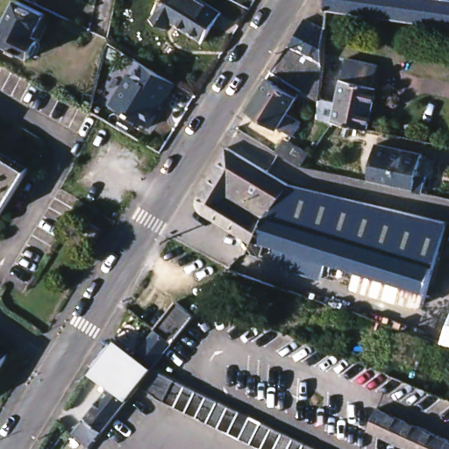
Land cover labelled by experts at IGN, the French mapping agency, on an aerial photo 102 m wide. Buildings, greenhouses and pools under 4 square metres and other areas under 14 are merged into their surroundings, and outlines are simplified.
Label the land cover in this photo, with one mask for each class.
<instances>
[{"label":"impervious surface","instance_id":"1","mask_svg":"<svg viewBox=\"0 0 449 449\"><path fill-rule=\"evenodd\" d=\"M323 5L319 0H260L253 19L244 26V33L237 32L232 33L224 51L202 49L193 54H195L217 56V60L223 61V65L217 68L214 79L202 96H188L186 102L175 103L168 119V121H170V132L167 133V137L158 147L160 167L154 168L149 174H142L137 168V154L125 147H119L118 144H112V135L109 132L98 130L93 140L95 147L91 153V161L86 165V172L81 177L84 186L93 184L86 198L75 200L74 196L63 191V182L72 172L68 165H72V153H77V144L86 135L88 125H93L89 118V110L98 109V114L105 121L116 125V118L110 116L109 110L105 107V82L109 72V60H114V56H125L123 51L112 47L107 49V58L100 61L98 79L93 91H82L74 84H67L65 95L72 96L77 105L67 109V105L56 102L42 91H35V86L32 82L26 81L25 77L14 74L11 68L0 65V161L21 172L18 186L5 202L4 209L0 210V300H2L5 282H12L16 291L28 288L26 281L32 277V272L37 270L35 265L42 258V253H51L54 244L53 228L46 223L47 217L61 216L67 210L74 216L75 228H81L84 232H95L93 239H88L89 254L96 261H102V265L93 270V274L84 279L75 291L68 302L67 310L47 319V337L33 335L0 312V449H40L46 442L47 433H51L58 419L72 416L75 419L86 416L93 403L102 398L103 393H107L103 386L95 384L79 407H61L68 393L74 388L75 382L81 379V375H88L89 365L96 360V356L109 344H114L119 337L116 328L126 309L128 303L139 288L140 281L151 270L144 265L147 254H161L167 244L165 239L168 237L195 253L205 254L226 272L230 275H240L247 265L256 261L253 254L242 260L237 237L233 233L217 228L216 224L210 223L209 219L200 216L193 209V198L196 191H200L198 181L205 177L217 156L224 158V153L232 146L289 184L442 219L445 223L444 237L426 295L435 300L438 296L449 293V153L407 137L403 140H386L389 146L423 154L412 189L365 179H354L346 175L328 174L307 168L302 174L289 167L288 163L263 151V137L274 144H279L282 140H288V135L279 130L265 128L253 118H249L246 114L247 103L251 102L261 82L275 75V60L279 58L282 49L293 35L309 46L321 49V68L312 72L316 74V81L321 82V100L330 102L333 98L340 61L342 51L331 40V28L321 30V16H317V12ZM353 142H361L360 161L363 172L367 168L372 147L382 140V135L353 130ZM177 302L181 303L182 309L188 312L191 319L188 326L174 340V344H167L163 349V354L172 361L154 379L151 388L147 389V400L153 403V412L144 414L140 410H135L130 419L114 424L119 435H125V442L107 438L98 449H393L386 445L384 440L370 437L365 431L372 414L370 407H379L388 416L402 419L407 424L421 426L423 430L437 433L438 437L449 440V400L438 398L430 407H424L421 402L428 393L405 384L407 377H416L414 372H409V375L405 372L379 374L372 368H361L360 365H351L347 360H337L335 356L323 358L321 354L314 353L307 344H296L293 337L282 335L275 328H251L244 335H240L239 339H232V324H216L212 328L203 324L202 316L196 314V303H191L188 295L182 296Z\"/></svg>","mask_w":449,"mask_h":449},{"label":"building","instance_id":"2","mask_svg":"<svg viewBox=\"0 0 449 449\"><path fill-rule=\"evenodd\" d=\"M42 21V14L19 0H0V53L12 60L21 61L26 58L35 60L37 56V30ZM233 4V0H154L147 16V25L156 23L160 28H167L168 37H175L184 35L196 44H203L205 39L207 33L216 25L221 12ZM323 5L317 12V16H321V30L331 28L333 16H349L356 28L377 33V47L389 46L403 25L423 28L430 37L437 39L438 44L449 42V0H319ZM321 49L309 46L293 35L282 49L279 58L275 60V75L261 82L251 102L247 103L246 114L249 118H253L265 128L279 130L288 135V140H282L279 144H274L263 137V151L288 163L289 167L302 174L307 168L303 167L305 151L293 146V142L289 140L300 126L298 121L295 116L289 114L296 100H303L305 96H309V100L316 103V121L328 126L346 125L353 130L382 135L386 132V119H375L372 116L374 102L368 95L370 91H374V86L363 84L365 75L374 74V63L354 60V56L340 61L333 98L330 102L321 100V82L316 81V74L312 72L321 68ZM105 107L109 110L110 116L116 118V128L123 133L137 130V126L158 125V123H163V121H167L168 119L175 103L186 102L188 96V93L179 86L177 82L156 74L151 68L140 63L132 61L126 68L109 72L105 82ZM423 154L389 146L386 140H382L372 147L367 168L363 172L365 179L412 189ZM200 191H196L193 198V209L200 216L209 219L210 223L216 224L217 228L233 233L237 237L242 260L253 254L256 261L261 260V251L267 249L268 254L295 263L300 270V277L312 282L317 281V270L321 265H330V268L340 270L342 274L351 277L349 291L356 300L368 302L375 309L395 310L402 316H412L421 307V300L426 295L444 237L445 223L442 219L289 184L232 146L224 153V158L217 156L205 177L198 181ZM21 172L0 161V210L4 209L5 202L18 186ZM191 319L188 312L182 309L181 303L177 302L170 309L161 310L160 316L156 317L153 323L139 321L140 330H130L123 337H119L114 344H109L96 356V360L89 365L88 375V379L95 384L103 386L107 393H103L102 398L93 403L86 416L75 419L68 442L70 449H98L107 438L125 442V435H119L114 424L130 419L135 410H140L144 414L153 412V403L147 400V389L151 388L154 379L172 361L163 354V349L167 344H174V340L188 326ZM440 346L449 347V314L445 317L444 328L440 331L438 340ZM372 414L365 431L370 437L384 440L386 445L393 449H449V440L438 437L437 433L423 430L421 426L407 424L402 419L388 416L379 407H370Z\"/></svg>","mask_w":449,"mask_h":449},{"label":"brushwood","instance_id":"3","mask_svg":"<svg viewBox=\"0 0 449 449\"><path fill-rule=\"evenodd\" d=\"M114 9L109 37L112 47L123 51L125 56H114V60H109V72L126 68L132 61L140 63L142 60H161L168 63V53H163L153 44H142L140 40L125 35V11L132 0H112ZM260 0H233V4L239 9L233 23L237 25V32L244 33V26L253 19ZM232 33L224 32L219 39L212 42L205 39L203 44H196L184 35L175 37L179 40L182 51L193 54L202 49L224 51ZM0 65L11 68L14 74L25 77L26 81L32 82L35 86V91H42L56 102L67 105V109L77 105L72 96L65 95L67 84L63 79H56L53 91L44 88L39 82L42 72L23 67L21 61L12 60L0 53ZM223 65V61L217 60V56L195 54L193 68L186 75V81L181 82L179 86L188 93V96H202L214 79L217 68ZM300 126L289 140L293 142V146L305 151L303 167L307 168L328 174L346 175L354 179H365L363 172L360 161L361 142H353L342 149V153H330L331 140L321 139L328 126L316 121V112L303 107L302 119L298 121ZM112 135V144H118L119 147H125L137 154V168L142 174H149L154 168L160 167L158 147L167 137V133H146L139 132V130H137L123 133L116 128L109 132ZM93 274V270L88 267L72 268L65 265L58 268L56 279L60 288L75 291L84 279ZM154 272L151 270L140 281L139 288L128 303L139 305L140 296L144 295V291L153 281ZM191 303H196V314L202 316L203 324L212 328L216 324H232V339H239L240 335H244L251 328H275L282 335L293 337L296 344H307L314 353L321 354L323 358L335 356L337 360H347L351 365H360L361 368H372L379 374L405 372L409 375V372H414L416 377H407L405 384L428 393L421 402L424 407H430L438 398L449 400V347L440 346L438 340L430 344L428 340L407 333L403 326L395 330L393 321L389 319L388 323L382 324V319H377L379 330L375 331L370 328L374 324V319L351 314L344 309H331V305L314 303L309 298L296 300L295 296L289 293L277 296L275 288L247 281L240 275H230L226 272L223 275L212 274V277L202 279L198 284L196 295H188ZM0 312L33 335L47 337V333L40 331L35 324L28 323L25 317L12 312L2 300H0ZM95 384L88 379V375H81V379L75 382L74 388L68 393L61 407H79ZM75 419L72 416L58 419L51 433H47L46 442L40 449H70L68 442Z\"/></svg>","mask_w":449,"mask_h":449},{"label":"pervious surface","instance_id":"4","mask_svg":"<svg viewBox=\"0 0 449 449\"><path fill-rule=\"evenodd\" d=\"M42 14V21L37 30V56L35 60L26 58L21 61L23 67L42 72L39 82L44 88L53 91L56 79H63L67 84H74L82 91H93L98 79L100 61L107 58V49L112 47L109 37L114 9L112 0H19ZM365 47L356 44L346 46L342 51L340 61L354 56V60L374 63V74L365 75L363 84L374 86V91H370L368 95L374 102L372 116L375 119H386L396 118V112L391 107H396V91L407 86L409 82L416 95L449 98V68L438 63L405 61L402 54L396 53L389 46L377 47L374 54L363 53ZM137 130H139V132L146 133H167L170 132V121H168V119L167 121H163V123H158V125L137 126ZM353 130L346 125L328 126L321 139L331 140L330 153H342V149L353 142ZM247 281L275 288L277 296L289 293L295 296L296 300L309 298L314 303L331 305V309H344L351 314L374 319V324L370 328L375 331L379 330L377 319H382V324L388 323L389 319L393 321L395 330L403 326L407 333L428 340L430 344L438 340L440 331L444 328L445 317L449 314V293L438 296L435 300L426 295L421 300V307L412 316H402L395 310L375 309L368 302L356 300L349 291L351 277L342 274L340 270L330 268V265H321L317 270V281L312 282L300 277V270L295 263L268 254L267 249L261 251V260L256 261L247 265L240 275ZM144 265L151 270L154 272L153 281L144 291V295L140 296L139 305L128 303L126 309L132 310L133 316L139 317V321L153 323L156 317L160 316L161 310L170 309L177 302L182 296L188 295H196L198 284L202 279L212 277V267H203L202 261L195 260L189 265H179L177 261L161 254H147Z\"/></svg>","mask_w":449,"mask_h":449},{"label":"herbaceous vegetation","instance_id":"5","mask_svg":"<svg viewBox=\"0 0 449 449\"><path fill-rule=\"evenodd\" d=\"M154 0H132L125 11V35L140 40L142 44H153L163 53H168V63L161 60H142L140 63L151 68L156 74L177 82L179 86L181 82L186 81V75L193 68L195 54H193L182 51L179 40L175 37H168L167 28H160L156 23L147 25V16ZM239 9L233 4L221 12L216 25L207 33L205 39L212 42L219 39L224 32L232 33L237 32V25L233 23ZM396 107H391L396 112V118L386 119V132L382 135V140H403L407 137L449 153V98L416 95L409 82L407 86L396 91ZM303 107L316 112V103L309 100V96H305L303 100H296L289 114L295 116L298 121L302 119ZM89 118L93 125H88L86 135L77 144V153H72V165H68L72 172L63 182V191L74 196L75 200L86 198L93 184L84 186L81 177L86 172V165L91 161V153L95 147L93 140L98 130L109 132L116 128V125L105 121L98 114V109L89 110ZM167 244L161 254L177 261L179 265H189L195 260L202 261L203 267H212V274L223 275L226 272L205 254L195 253L168 237L165 239ZM75 291L60 288L56 279L53 275H47L39 286L28 288L16 291L12 282H5L2 300L12 312L25 317L28 323L35 324L40 331L47 333V319L67 310L68 302ZM130 330H140L139 321V317L133 316L132 310L126 309L116 328L119 337H123Z\"/></svg>","mask_w":449,"mask_h":449},{"label":"deciduous trees","instance_id":"6","mask_svg":"<svg viewBox=\"0 0 449 449\"><path fill-rule=\"evenodd\" d=\"M331 40L342 51L346 46L356 44L365 47L363 53L374 54L377 47V33L356 28L349 16H333L331 28ZM396 53L402 54L405 61L438 63L449 68V42L438 44L437 39L430 37L423 28L403 25L389 46ZM46 223L53 228L54 244L51 253H42V258L35 265L37 270L32 272V277L26 281L28 288L39 286L47 275H53L56 279L58 268L65 265L72 268L88 267L93 270L102 265V261H96L89 254L88 239H93L95 232H84L81 228H75L74 216L67 210L61 216L47 217Z\"/></svg>","mask_w":449,"mask_h":449}]
</instances>
